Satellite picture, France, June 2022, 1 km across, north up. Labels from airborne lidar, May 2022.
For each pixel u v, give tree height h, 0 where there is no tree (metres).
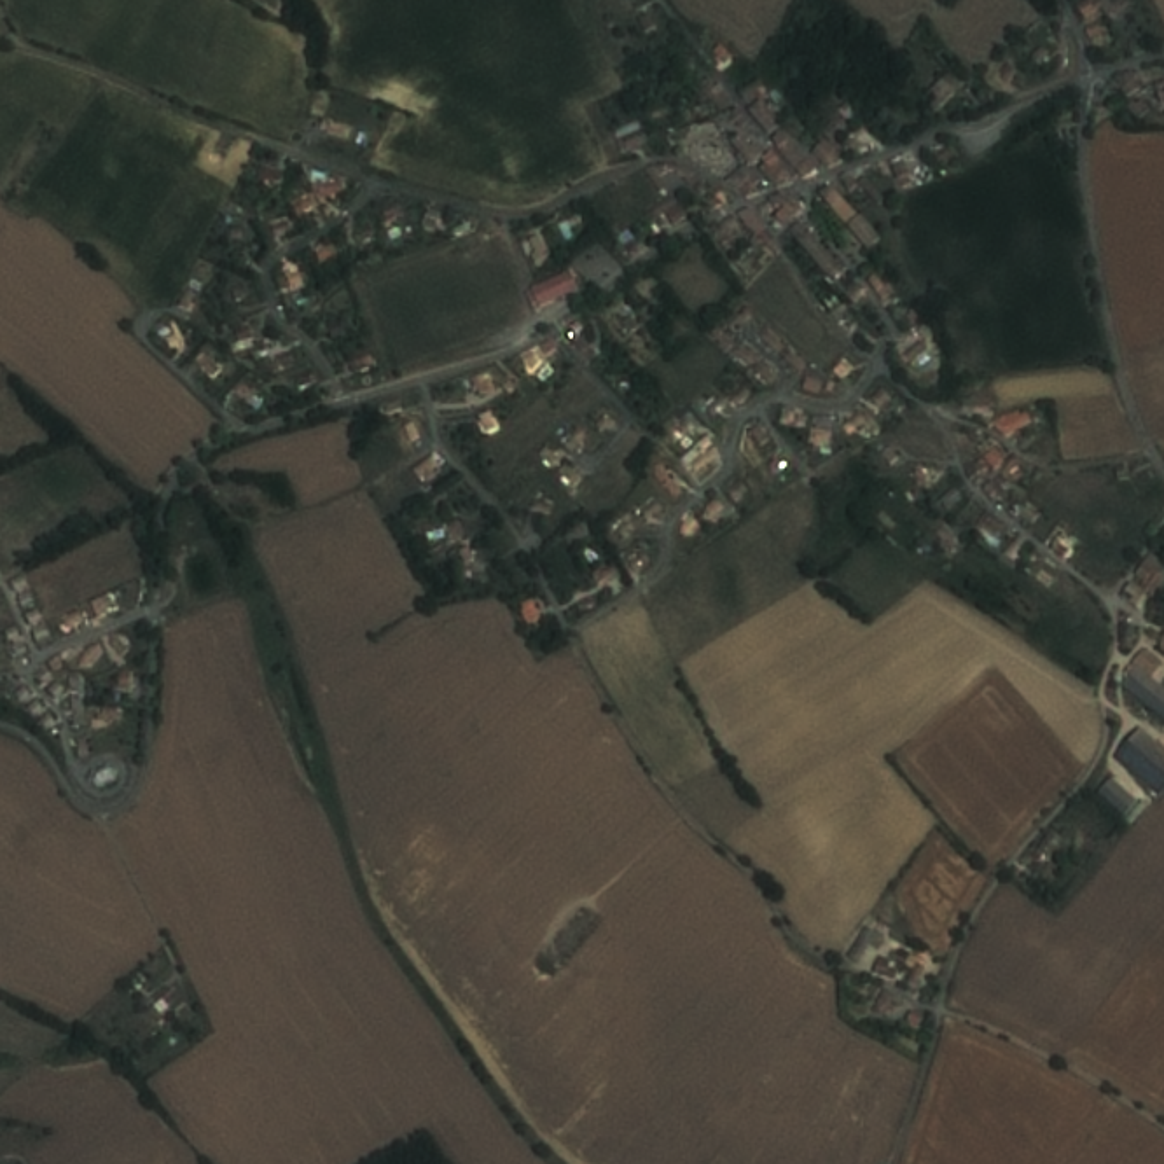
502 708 0
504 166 0
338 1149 0
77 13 0
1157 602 10
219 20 0
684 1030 0
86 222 0
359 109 0
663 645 0
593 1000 0
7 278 0
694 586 0
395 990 0
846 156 11
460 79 0
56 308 0
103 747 0
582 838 0
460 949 0
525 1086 0
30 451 14
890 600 0
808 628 0
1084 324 0
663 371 0
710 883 0
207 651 0
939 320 11
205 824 0
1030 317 0
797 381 0
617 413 0
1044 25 0
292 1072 0
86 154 0
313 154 0
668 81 11
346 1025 0
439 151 0
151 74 0
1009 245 0
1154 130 8
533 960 0
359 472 0
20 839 0
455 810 0
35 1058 0
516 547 0
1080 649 0
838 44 6
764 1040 0
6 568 0
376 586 0
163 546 15
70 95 0
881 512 0
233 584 0
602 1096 0
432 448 0
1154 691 0
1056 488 0
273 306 0
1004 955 0
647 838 0
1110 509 0
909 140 10
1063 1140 0
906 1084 0
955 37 0
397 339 0
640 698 0
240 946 0
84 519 15
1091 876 0
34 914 0
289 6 12
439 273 0
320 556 0
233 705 0
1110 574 0
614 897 0
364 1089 0
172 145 0
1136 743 0
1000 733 0
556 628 7
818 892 0
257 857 0
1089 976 0
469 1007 0
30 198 0
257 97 0
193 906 0
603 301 19
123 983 8
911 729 0
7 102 0
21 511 0
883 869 0
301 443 0
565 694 0
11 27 6
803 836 0
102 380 0
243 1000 0
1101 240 0
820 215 8
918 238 0
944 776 0
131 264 0
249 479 14
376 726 0
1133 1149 0
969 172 0
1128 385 0
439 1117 0
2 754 0
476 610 0
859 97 7
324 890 0
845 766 0
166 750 0
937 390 8
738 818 0
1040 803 0
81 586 0
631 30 8
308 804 0
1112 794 0
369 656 0
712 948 0
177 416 0
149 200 0
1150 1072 0
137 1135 0
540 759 0
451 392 8
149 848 0
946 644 0
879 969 0
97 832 0
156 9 0
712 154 0
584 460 0
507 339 0
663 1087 0
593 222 8
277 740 0
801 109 10
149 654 10
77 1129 0
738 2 0
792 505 0
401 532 8
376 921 0
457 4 0
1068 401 0
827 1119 0
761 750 0
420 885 0
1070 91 12
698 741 0
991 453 0
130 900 0
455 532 0
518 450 0
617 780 0
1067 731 0
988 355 0
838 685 0
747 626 0
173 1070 0
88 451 8
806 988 0
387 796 0
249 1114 0
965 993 0
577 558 8
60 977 0
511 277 0
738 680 0
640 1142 0
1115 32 7
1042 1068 0
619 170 0
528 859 0
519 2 0
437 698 0
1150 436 0
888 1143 0
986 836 0
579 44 0
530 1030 0
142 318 0
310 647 0
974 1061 0
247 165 7
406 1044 0
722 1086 0
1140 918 0
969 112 12
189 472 16
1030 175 0
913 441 0
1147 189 0
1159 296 0
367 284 0
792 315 0
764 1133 0
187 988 0
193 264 0
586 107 0
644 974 0
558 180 0
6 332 0
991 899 0
